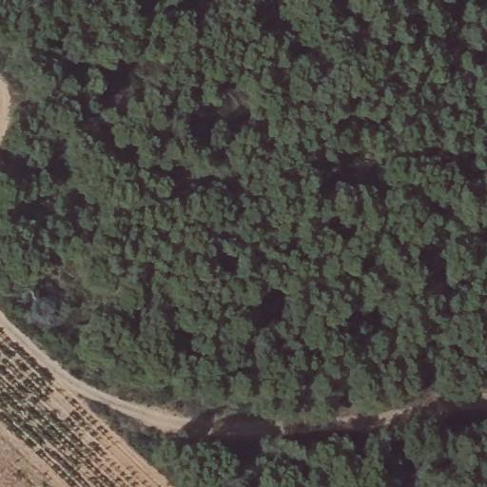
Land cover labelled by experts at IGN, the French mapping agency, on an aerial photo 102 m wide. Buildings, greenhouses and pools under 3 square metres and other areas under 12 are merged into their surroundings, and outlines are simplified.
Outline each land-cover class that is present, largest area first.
<instances>
[{"label":"coniferous trees","instance_id":"1","mask_svg":"<svg viewBox=\"0 0 487 487\"><path fill-rule=\"evenodd\" d=\"M0 32H6L11 42L17 44L29 38L30 55L34 63L42 67L44 74L55 80V88L49 97L38 103L23 101L10 112V127L0 143V171L15 181V207L10 209L13 234L6 236L4 232H0V242L6 245L17 243L23 249L21 266L25 268L27 276L32 272H38V282L34 285V291L40 299H46L53 306V316L61 314L65 297V291L51 278L59 272L72 274L91 295L103 299V308L95 316H91L86 325H82L76 344V352L86 363V369H105L103 377L110 386L139 388L150 396H166L167 399L173 398V390H181L188 399L200 401L202 405H213L234 409L236 413L263 417L272 422L282 419L285 420V424L304 422L310 426L325 428L331 422H350L358 419L360 415L379 417L380 413L409 403L411 398L424 394L430 388L438 392L439 398L453 403L487 399V0H0ZM439 415L426 411V407H415L409 415H398L390 420V424H382L379 436L367 438V455L363 458L361 476L356 479L346 464V458L335 455L333 445L318 443L316 451L308 453L297 441H287L283 438L261 439L253 434L243 438L209 439L202 436H186L183 428L177 432H169L167 441H162L156 447V453L145 458L150 466H154L162 476H166L171 487H487V422L483 420L466 426L460 436L449 432L447 439L439 441L436 434Z\"/></svg>","mask_w":487,"mask_h":487},{"label":"vineyard","instance_id":"2","mask_svg":"<svg viewBox=\"0 0 487 487\"><path fill-rule=\"evenodd\" d=\"M10 127V88L8 82L0 76V143ZM103 392L72 377L59 361L51 360L46 350H42L21 329H17L0 310V487H171L166 476H162L154 466H150L145 458L127 445L126 439L112 430L107 420L91 411L88 403L95 399Z\"/></svg>","mask_w":487,"mask_h":487},{"label":"brushwood","instance_id":"3","mask_svg":"<svg viewBox=\"0 0 487 487\"><path fill-rule=\"evenodd\" d=\"M0 76L8 82L10 88V112L23 101L38 103L49 97L55 88V80L44 74L42 67L34 63L30 55L29 38L17 44L11 42L6 32H0ZM15 207V181L0 171V232H4L6 236L13 234L10 209ZM23 249L17 243L6 245L0 242V310L17 329H21L42 350H46L51 360L59 361L72 377L103 392L133 403H143L148 407H162L167 411H175L190 420L200 417L207 409H213V405H202L200 401L188 399L181 390H173V398L167 399L166 396H150L139 388L110 386L103 377L105 369H86V363L76 352V344L82 325H86L91 316H95L103 308V299L91 295L72 274L59 272L51 278L65 291V297L61 314L53 316V306L46 299H40L34 291V285L38 282V272H32L27 276L25 268L21 266ZM91 411L107 420L112 430L126 439L127 445L145 458L156 453V447L162 441H167L169 432H162L154 426H146L141 420L114 411L107 403L95 399L88 403Z\"/></svg>","mask_w":487,"mask_h":487},{"label":"pervious surface","instance_id":"4","mask_svg":"<svg viewBox=\"0 0 487 487\"><path fill-rule=\"evenodd\" d=\"M107 403L114 411L141 420L146 426H154L162 432H177L183 428L186 436H202L209 439L243 438L253 434L261 439L283 438L287 441H297L308 453L316 451L318 443L333 445L335 455L346 458V464L356 479L361 476L363 458L367 455V438L379 436L382 424H390V420L398 415H409L415 407H426V411L439 415L436 434L439 441L447 439L449 432L460 436L466 426L483 420L487 422V399L453 403L439 398L438 392L430 388L424 394L411 398L409 403L380 413L379 417L360 415L358 419L350 422H331L325 428L310 426L304 422L285 424V420L282 419L272 422L263 417L236 413L234 409L213 405V409H207L200 417L190 420L175 411H167L162 407H148L143 403H133L103 392L95 399Z\"/></svg>","mask_w":487,"mask_h":487}]
</instances>
